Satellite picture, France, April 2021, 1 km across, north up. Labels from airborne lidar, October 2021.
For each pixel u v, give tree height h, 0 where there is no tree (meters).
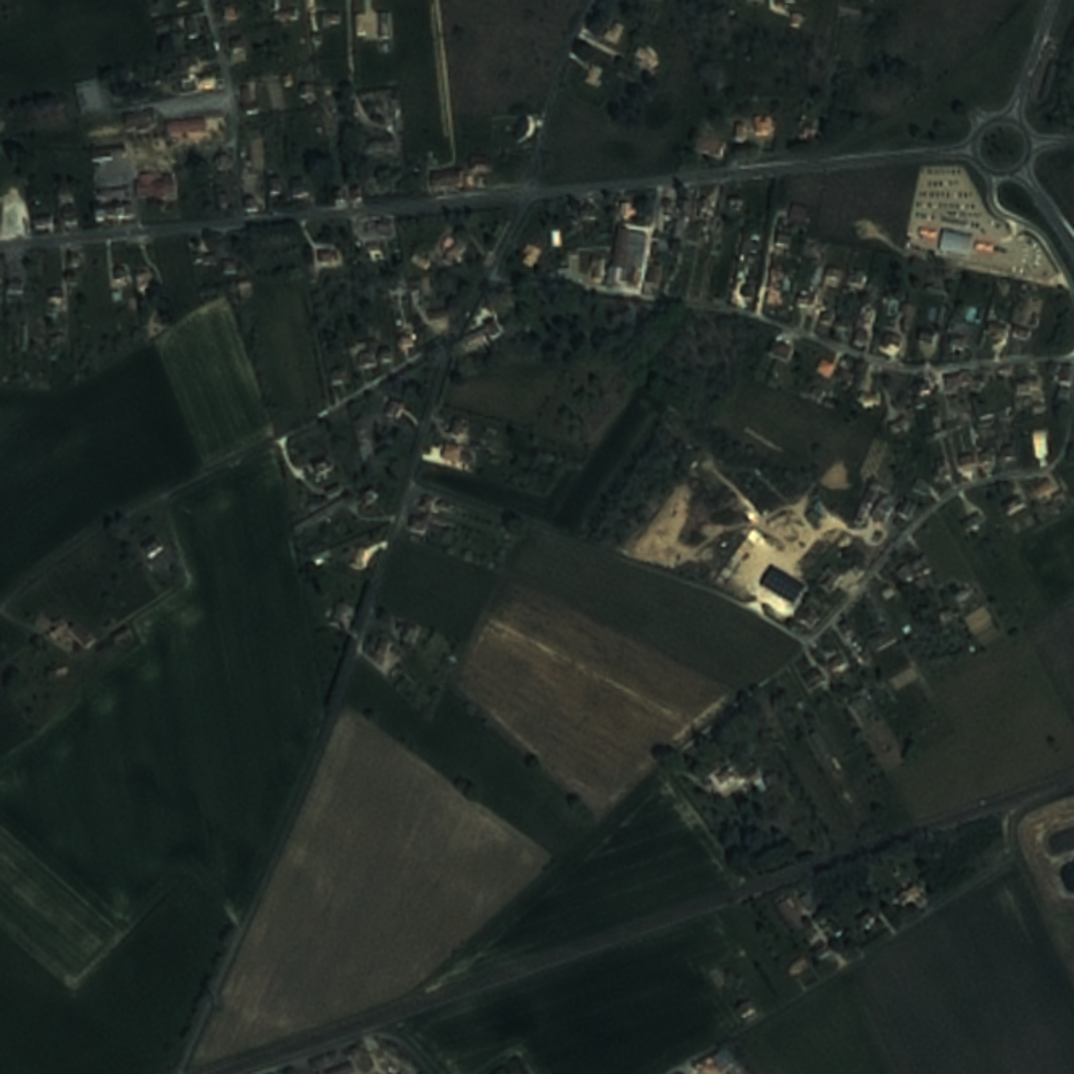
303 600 0
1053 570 0
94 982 0
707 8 13
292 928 0
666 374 13
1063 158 0
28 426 0
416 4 0
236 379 0
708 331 12
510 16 0
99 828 0
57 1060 0
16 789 0
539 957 0
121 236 0
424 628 0
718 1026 0
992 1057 0
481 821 0
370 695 0
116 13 0
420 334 9
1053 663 0
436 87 0
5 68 0
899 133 0
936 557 0
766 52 14
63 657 0
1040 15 0
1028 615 0
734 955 0
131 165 0
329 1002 0
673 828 0
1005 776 0
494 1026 0
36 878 0
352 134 17
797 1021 0
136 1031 0
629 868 0
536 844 0
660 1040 0
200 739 0
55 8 0
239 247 13
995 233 0
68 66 0
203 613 0
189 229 0
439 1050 0
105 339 7
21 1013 0
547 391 0
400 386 14
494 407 0
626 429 0
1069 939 0
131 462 0
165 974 0
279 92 0
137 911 0
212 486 0
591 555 0
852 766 0
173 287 0
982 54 0
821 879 14
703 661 0
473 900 0
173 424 0
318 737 0
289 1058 0
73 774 0
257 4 6
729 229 7
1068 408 13
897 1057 0
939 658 7
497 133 0
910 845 16
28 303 7
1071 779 0
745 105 6
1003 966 0
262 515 0
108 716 0
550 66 8
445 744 0
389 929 0
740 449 11
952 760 0
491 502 0
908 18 0
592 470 0
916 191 0
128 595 0
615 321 15
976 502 0
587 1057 0
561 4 0
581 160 0
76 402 0
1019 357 0
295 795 0
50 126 12
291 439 7
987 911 0
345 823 0
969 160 0
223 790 0
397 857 0
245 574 0
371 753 0
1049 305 0
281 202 9
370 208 0
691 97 0
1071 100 11
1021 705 0
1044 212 0
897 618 0
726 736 20
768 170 0
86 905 0
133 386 0
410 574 0
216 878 0
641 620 0
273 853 0
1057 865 0
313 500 8
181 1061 0
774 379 9
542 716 0
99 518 0
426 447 0
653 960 0
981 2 0
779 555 0
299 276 10
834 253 0
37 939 0
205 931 0
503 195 0
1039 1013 0
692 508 0
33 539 0
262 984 0
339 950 0
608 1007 0
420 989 0
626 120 19
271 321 0
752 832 12
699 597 0
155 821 0
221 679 0
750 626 0
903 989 0
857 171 0
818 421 0
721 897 0
